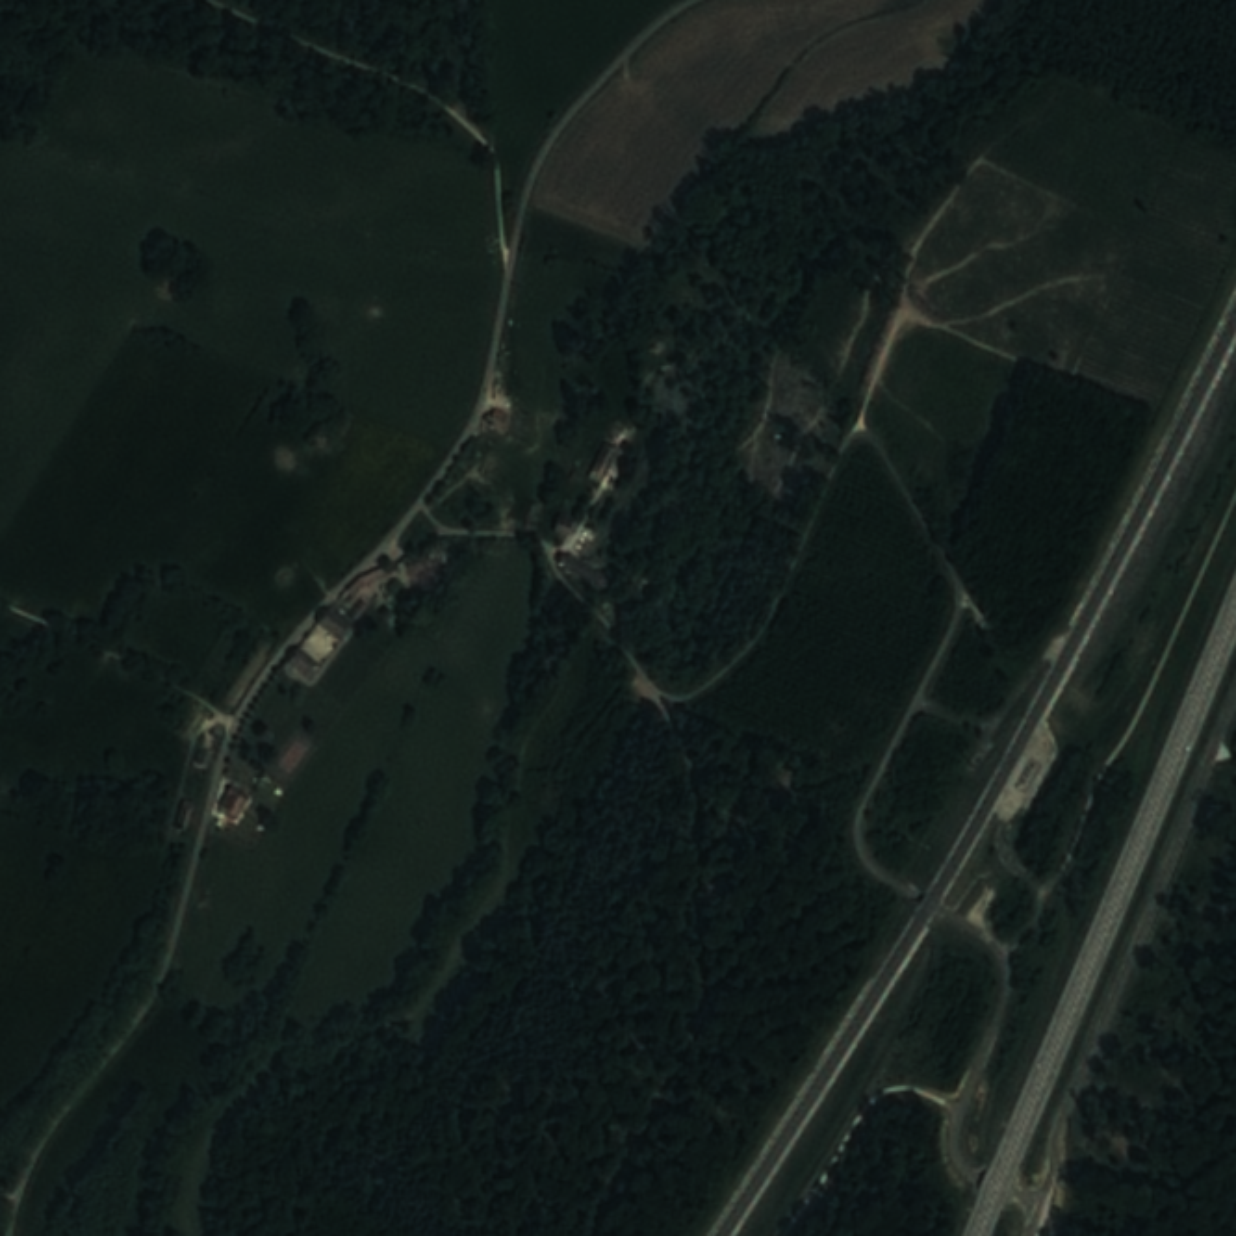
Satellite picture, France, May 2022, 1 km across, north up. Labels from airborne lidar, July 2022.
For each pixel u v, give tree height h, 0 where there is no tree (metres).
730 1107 30
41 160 0
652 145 0
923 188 27
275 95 23
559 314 0
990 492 19
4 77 21
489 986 32
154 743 0
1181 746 0
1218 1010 29
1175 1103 25
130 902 0
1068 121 0
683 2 0
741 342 18
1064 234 0
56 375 0
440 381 0
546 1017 26
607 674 9
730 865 30
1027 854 14
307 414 18
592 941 28
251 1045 32
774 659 6
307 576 0
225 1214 21
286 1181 27
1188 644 0
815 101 0
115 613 17
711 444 27
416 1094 26
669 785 25
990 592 18
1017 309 0
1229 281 0
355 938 0
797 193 30
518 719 19
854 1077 0
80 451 0
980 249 0
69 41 23
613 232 0
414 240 0
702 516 24
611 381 0
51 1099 24
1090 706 0
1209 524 0
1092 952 0
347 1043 13
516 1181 28
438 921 18
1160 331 0
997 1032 0
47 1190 0
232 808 0
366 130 20
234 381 0
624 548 24
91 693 0
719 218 17
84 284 0
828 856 19
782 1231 0
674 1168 27
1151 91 19
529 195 0
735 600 25
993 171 0
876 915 7
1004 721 0
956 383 0
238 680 0
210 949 0
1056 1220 0
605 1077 30
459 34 28
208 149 0
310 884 0
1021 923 9
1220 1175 28
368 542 0
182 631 0
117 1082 0
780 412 0
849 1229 27
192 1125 11
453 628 0
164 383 0
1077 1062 0
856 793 10
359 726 0
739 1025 27
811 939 29
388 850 0
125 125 0
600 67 0
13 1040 0
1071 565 14
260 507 0
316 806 0
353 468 0
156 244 16
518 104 0
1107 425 20
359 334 0
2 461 0
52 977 0
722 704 6
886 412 0
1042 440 22
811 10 0
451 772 0
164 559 0
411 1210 26
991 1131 0
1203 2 19
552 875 23
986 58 11
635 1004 27
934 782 8
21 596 0
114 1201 27
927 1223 28
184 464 0
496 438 0
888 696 6
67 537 0
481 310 0
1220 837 26
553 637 6
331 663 0
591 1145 28
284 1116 25
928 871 0
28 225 0
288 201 0
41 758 0
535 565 12
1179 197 0
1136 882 0
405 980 24
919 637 6
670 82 0
